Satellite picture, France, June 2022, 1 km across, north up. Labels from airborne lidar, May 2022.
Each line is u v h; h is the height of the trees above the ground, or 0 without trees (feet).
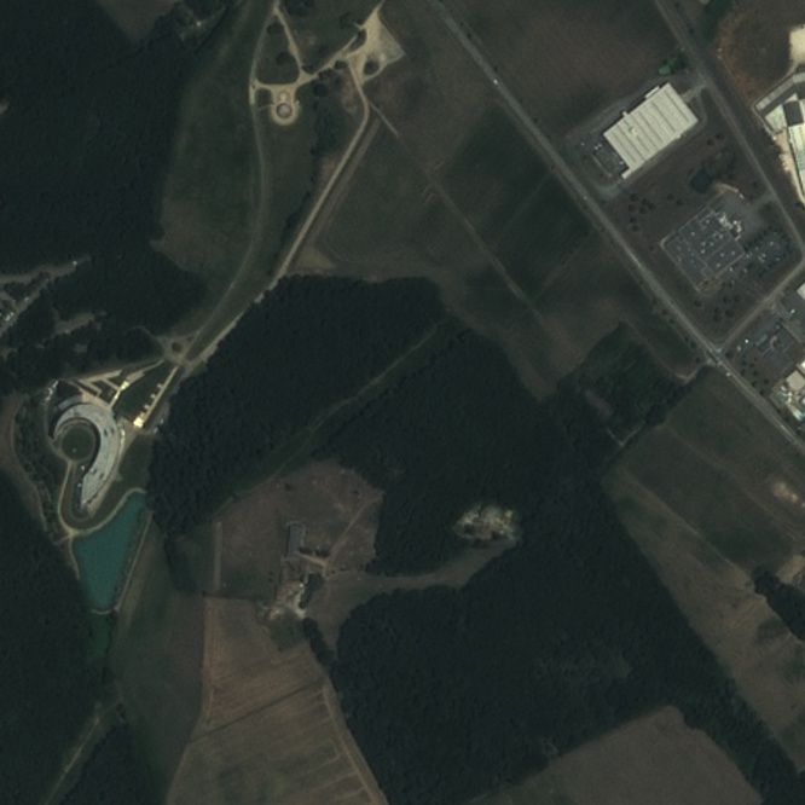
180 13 20
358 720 57
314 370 75
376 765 65
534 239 0
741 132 0
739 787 0
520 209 0
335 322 80
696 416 0
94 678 52
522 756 65
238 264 0
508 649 71
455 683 54
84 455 0
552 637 75
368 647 62
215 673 0
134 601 0
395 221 0
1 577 85
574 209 0
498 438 48
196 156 0
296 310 60
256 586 0
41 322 58
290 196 0
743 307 0
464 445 51
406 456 47
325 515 0
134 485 0
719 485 0
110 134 46
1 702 82
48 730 88
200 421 72
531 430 64
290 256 0
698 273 0
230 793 0
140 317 49
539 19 0
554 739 32
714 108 0
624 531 43
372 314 59
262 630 0
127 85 63
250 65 0
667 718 0
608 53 0
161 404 0
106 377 0
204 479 60
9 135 42
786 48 0
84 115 47
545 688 46
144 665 0
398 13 0
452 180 0
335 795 0
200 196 0
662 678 41
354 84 0
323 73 30
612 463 19
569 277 0
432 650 94
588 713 20
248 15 0
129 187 21
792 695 0
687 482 0
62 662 81
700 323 0
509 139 0
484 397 51
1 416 0
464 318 0
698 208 0
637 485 0
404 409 66
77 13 64
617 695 47
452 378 55
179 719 0
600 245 0
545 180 0
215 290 0
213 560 0
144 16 0
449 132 0
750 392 0
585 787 0
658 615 51
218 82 0
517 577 90
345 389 63
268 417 87
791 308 0
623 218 0
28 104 42
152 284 52
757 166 0
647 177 0
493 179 0
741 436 0
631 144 0
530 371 0
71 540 0
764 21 0
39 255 50
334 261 0
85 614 69
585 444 63
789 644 0
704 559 0
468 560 0
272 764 0
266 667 0
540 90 0
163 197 0
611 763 0
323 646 54
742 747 28
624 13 0
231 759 0
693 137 0
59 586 76
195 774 0
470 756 83
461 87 0
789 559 0
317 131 19
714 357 0
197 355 0
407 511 57
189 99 0
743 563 0
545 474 57
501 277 0
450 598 83
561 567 76
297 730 0
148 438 0
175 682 0
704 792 0
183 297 68
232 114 0
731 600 0
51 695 88
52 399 0
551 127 0
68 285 51
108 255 50
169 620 0
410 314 65
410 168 0
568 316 0
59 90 33
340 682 56
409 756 65
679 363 0
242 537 0
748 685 0
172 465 78
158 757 0
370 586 0
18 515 47
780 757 57
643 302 0
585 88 0
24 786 84
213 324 0
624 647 44
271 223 0
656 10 0
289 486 25
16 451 0
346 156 0
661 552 0
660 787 0
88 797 86
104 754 81
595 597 60
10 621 84
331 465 0
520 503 74
